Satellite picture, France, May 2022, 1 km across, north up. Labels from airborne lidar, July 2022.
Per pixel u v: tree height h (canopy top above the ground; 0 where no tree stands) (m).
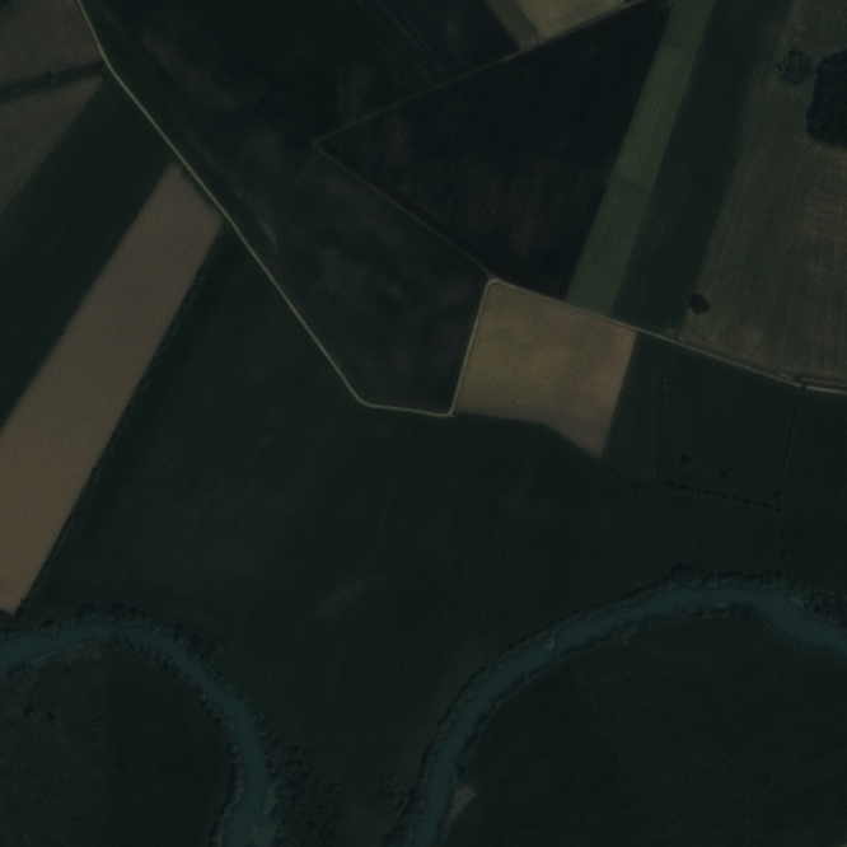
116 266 0
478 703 0
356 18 0
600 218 0
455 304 0
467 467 0
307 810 7
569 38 0
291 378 0
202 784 0
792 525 0
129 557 0
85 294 0
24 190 0
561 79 0
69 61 0
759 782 0
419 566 0
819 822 0
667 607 0
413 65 0
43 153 0
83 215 0
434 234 0
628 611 0
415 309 0
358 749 0
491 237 0
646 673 0
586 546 0
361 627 0
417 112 0
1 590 0
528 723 0
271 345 0
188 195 0
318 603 0
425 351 0
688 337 0
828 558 0
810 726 0
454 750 0
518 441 0
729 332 0
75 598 0
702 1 0
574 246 0
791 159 0
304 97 0
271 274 0
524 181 0
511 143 0
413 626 0
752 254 0
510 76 0
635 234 0
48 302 0
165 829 0
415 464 0
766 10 0
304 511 0
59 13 0
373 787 0
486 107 0
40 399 0
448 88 0
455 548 0
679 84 0
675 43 0
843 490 0
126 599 0
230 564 0
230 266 0
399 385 0
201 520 0
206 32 0
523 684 7
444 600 0
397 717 0
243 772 9
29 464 0
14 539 0
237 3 0
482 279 0
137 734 0
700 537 0
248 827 0
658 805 0
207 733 0
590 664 0
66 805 0
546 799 0
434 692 0
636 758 0
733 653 0
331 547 0
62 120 0
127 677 0
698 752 0
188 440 0
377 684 0
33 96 0
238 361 0
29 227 0
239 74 0
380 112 0
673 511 0
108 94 0
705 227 0
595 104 0
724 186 0
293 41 0
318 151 0
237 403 0
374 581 0
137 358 0
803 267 0
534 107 0
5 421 0
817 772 0
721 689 0
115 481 0
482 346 0
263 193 0
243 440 0
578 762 0
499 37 0
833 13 0
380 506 0
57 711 0
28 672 14
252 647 0
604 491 0
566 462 0
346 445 0
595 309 0
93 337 0
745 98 0
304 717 0
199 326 0
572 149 0
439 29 0
